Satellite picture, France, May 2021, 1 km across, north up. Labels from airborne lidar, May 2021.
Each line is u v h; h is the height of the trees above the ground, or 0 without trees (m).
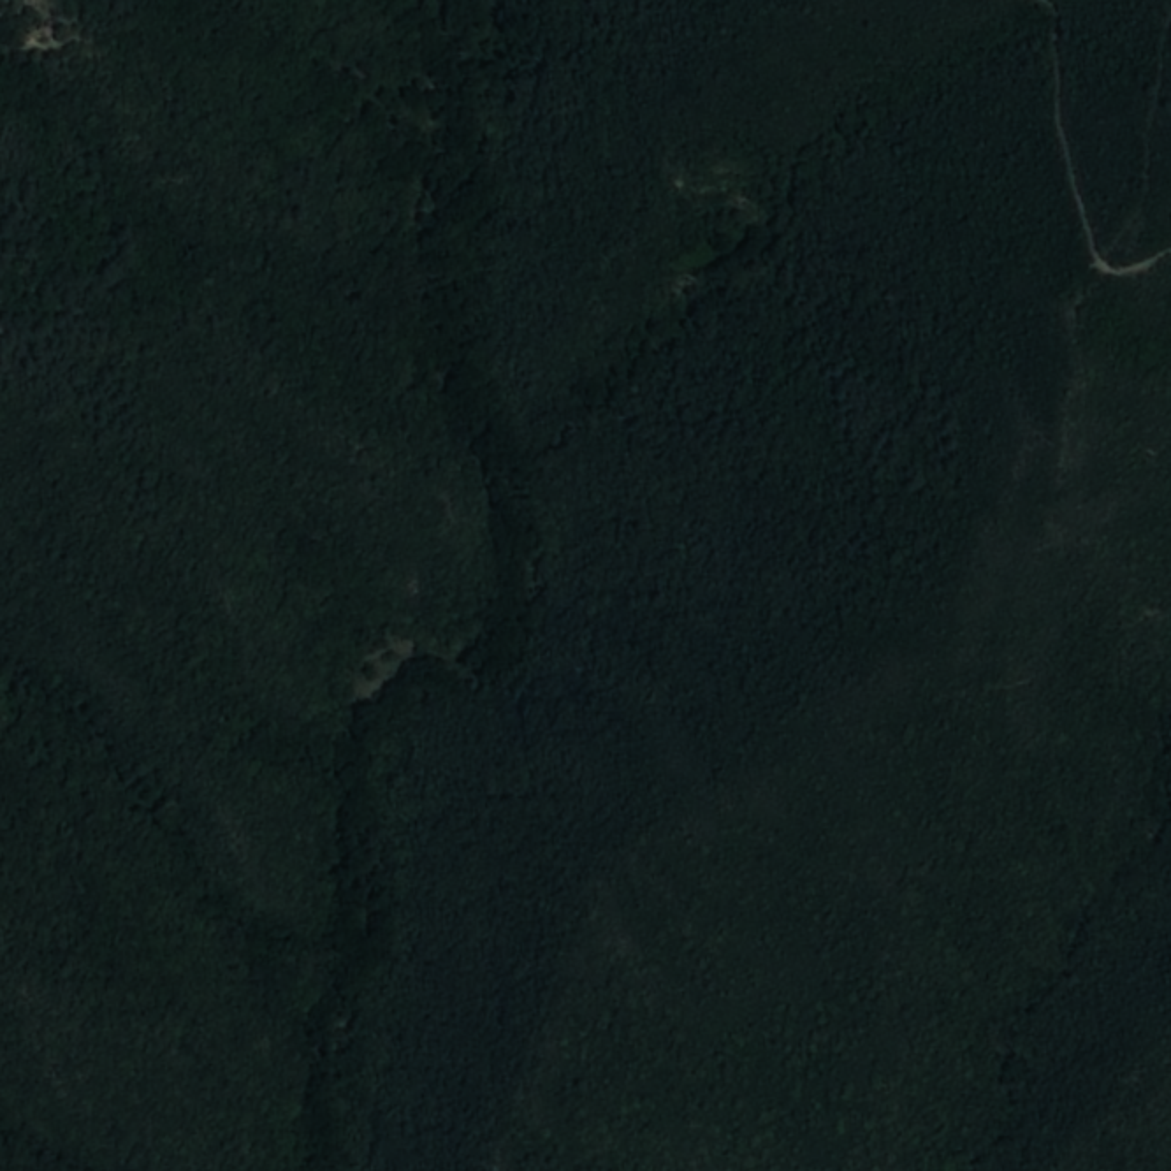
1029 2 10
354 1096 7
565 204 13
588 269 7
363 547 7
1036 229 6
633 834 7
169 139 10
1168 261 9
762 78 10
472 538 7
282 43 17
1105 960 11
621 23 10
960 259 8
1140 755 12
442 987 12
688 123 7
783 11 7
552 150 12
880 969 6
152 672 15
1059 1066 10
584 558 8
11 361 8
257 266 10
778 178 13
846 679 8
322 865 10
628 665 5
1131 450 9
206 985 16
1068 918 8
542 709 11
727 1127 7
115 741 16
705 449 10
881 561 9
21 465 6
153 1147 6
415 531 7
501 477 22
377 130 19
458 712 8
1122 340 9
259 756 18
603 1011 8
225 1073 11
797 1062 12
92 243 16
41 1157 20
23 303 13
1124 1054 7
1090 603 7
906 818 7
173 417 9
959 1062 9
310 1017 15
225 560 10
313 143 11
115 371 18
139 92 11
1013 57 9
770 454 11
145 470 17
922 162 12
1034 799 10
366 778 18
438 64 23
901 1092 7
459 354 17
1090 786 8
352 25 11
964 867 10
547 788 11
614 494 7
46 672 12
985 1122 7
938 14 6
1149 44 8
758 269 16
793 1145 6
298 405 9
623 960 6
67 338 18
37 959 10
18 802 16
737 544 9
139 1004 14
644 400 11
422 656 8
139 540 12
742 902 8
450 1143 8
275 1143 12
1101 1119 7
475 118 22
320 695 14
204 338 9
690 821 7
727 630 7
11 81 17
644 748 7
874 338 16
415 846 11
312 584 10
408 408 19
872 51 9
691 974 6
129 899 16
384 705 22
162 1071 9
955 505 11
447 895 10
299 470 11
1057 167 7
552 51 25
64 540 8
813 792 6
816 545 12
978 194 10
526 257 10
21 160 7
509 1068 7
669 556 8
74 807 14
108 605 12
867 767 5
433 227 24
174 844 15
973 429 6
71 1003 7
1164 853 12
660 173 9
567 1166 9
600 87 10
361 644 13
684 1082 8
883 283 11
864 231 7
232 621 7
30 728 14
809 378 12
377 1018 8
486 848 10
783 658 6
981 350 11
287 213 12
